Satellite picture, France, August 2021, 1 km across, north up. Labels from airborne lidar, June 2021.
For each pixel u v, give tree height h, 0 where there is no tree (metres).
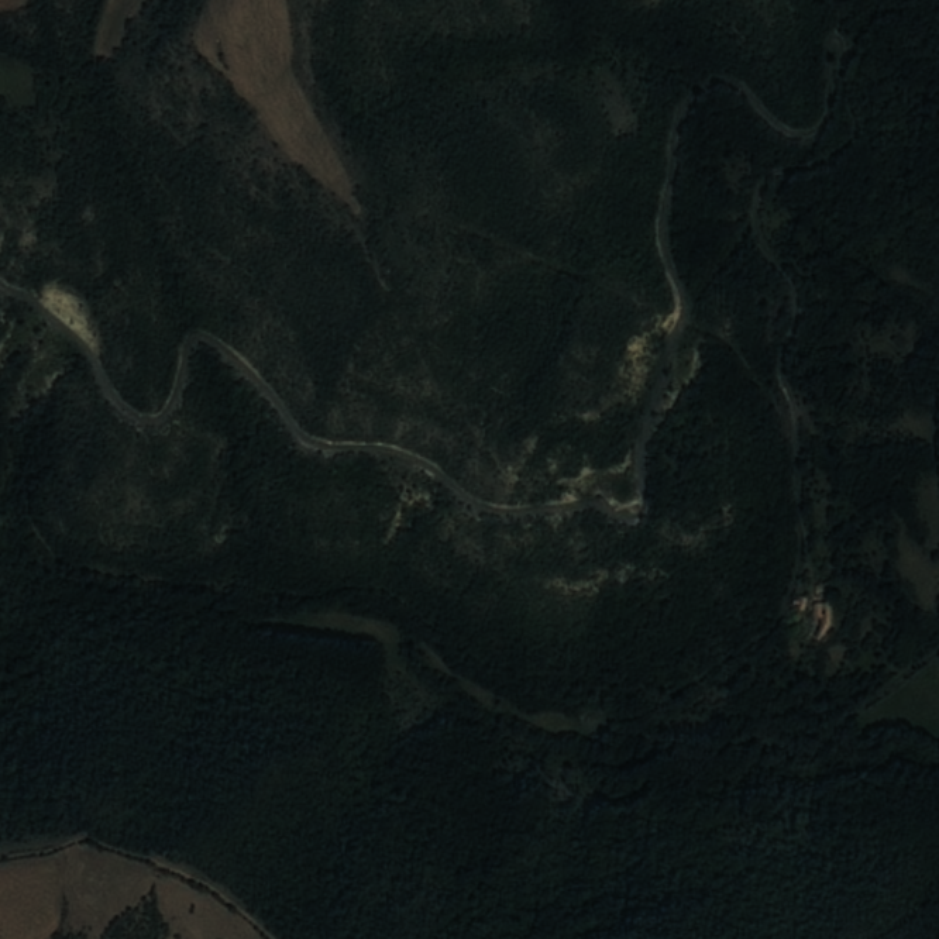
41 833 6
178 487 8
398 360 5
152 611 11
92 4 9
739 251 11
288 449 8
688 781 23
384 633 0
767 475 20
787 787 10
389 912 8
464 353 6
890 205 14
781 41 8
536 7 8
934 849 14
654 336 7
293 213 6
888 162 15
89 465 6
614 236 9
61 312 0
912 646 12
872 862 8
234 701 13
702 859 8
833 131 13
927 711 0
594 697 21
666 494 11
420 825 14
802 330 15
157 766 10
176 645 9
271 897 8
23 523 15
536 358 6
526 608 7
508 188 6
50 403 6
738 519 11
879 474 15
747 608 17
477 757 15
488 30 8
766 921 9
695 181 13
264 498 6
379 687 9
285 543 9
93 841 8
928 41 17
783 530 22
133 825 9
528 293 6
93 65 13
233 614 18
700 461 11
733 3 8
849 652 8
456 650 9
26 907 0
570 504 0
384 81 6
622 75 9
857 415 7
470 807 17
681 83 13
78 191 7
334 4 7
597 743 14
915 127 18
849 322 7
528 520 6
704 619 16
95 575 12
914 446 12
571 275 14
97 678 6
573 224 8
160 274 7
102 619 13
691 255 15
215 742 11
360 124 8
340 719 8
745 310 10
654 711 16
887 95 24
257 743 8
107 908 0
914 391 13
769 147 15
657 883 10
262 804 8
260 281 6
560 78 8
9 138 7
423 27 6
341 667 12
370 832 11
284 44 0
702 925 6
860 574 17
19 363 10
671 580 12
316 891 7
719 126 15
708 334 11
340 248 7
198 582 11
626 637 14
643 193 11
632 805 17
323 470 9
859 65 16
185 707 11
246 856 7
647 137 12
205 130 8
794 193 15
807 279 11
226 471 8
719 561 15
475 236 9
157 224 8
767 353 15
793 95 10
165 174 5
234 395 10
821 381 30
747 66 12
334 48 6
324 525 7
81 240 6
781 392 6
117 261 6
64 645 6
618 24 12
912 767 17
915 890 8
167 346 9
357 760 9
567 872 9
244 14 0
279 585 11
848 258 21
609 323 5
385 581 8
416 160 6
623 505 0
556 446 6
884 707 0
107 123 10
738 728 10
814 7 20
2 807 7
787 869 8
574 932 8
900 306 11
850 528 13
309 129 0
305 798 8
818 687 21
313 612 10
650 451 10
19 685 12
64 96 7
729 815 13
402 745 10
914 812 14
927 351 25
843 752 28
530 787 25
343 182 0
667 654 17
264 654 12
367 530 7
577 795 7
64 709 9
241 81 0
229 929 0
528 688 12
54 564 10
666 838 10
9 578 7
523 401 6
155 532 8
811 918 6
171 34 7
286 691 9
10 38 12
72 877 0
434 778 18
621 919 10
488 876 16
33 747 9
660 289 9
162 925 8
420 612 13
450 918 12
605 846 11
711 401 15
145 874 0
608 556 8
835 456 27
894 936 8
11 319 7
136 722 6
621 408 10
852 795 16
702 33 14
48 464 13
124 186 7
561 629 8
